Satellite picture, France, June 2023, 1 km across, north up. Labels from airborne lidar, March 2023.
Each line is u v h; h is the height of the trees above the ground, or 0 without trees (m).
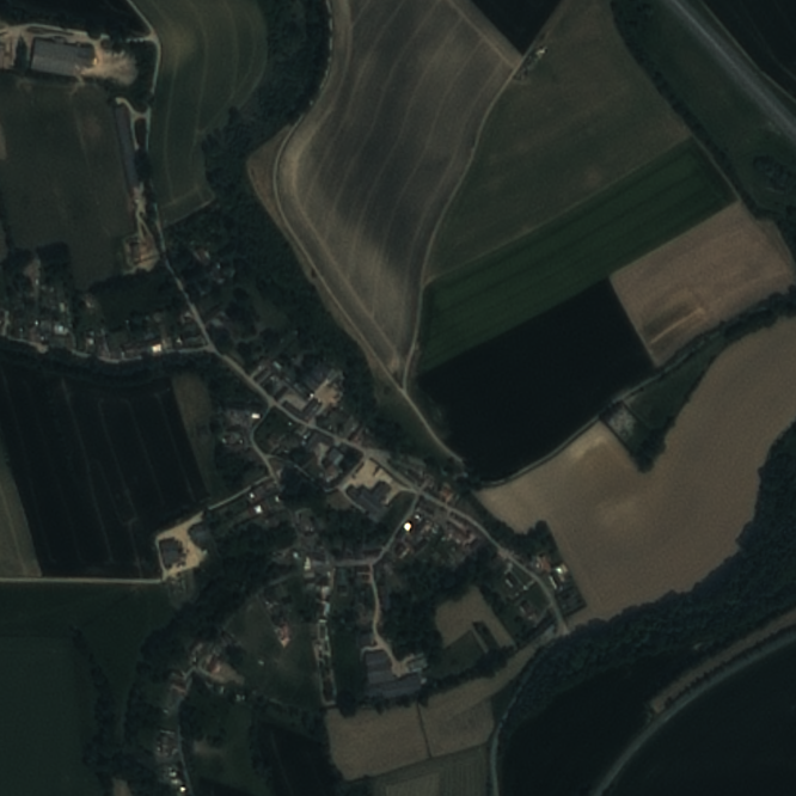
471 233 0
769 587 21
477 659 0
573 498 0
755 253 0
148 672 17
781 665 0
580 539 0
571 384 0
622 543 0
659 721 0
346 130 0
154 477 0
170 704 0
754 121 0
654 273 0
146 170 19
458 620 0
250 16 0
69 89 0
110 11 0
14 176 0
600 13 0
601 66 0
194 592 0
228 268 14
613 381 0
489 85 0
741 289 0
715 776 0
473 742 0
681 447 0
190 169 0
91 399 0
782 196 0
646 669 0
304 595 0
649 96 0
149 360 15
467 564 11
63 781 0
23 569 0
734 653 0
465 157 0
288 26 9
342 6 0
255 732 7
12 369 0
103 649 0
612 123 0
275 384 6
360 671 0
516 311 0
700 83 0
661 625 16
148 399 0
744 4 0
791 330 0
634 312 0
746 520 0
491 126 0
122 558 0
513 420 0
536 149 0
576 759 0
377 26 0
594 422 0
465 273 0
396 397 0
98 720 13
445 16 0
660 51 0
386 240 0
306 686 0
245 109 0
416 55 0
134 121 0
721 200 0
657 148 0
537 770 0
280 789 0
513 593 0
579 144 0
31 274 0
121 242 0
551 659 9
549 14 0
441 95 0
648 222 0
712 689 0
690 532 0
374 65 0
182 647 9
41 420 0
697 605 19
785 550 21
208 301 0
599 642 8
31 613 0
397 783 0
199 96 0
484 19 0
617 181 0
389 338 0
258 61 0
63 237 0
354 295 0
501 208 0
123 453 0
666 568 0
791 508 21
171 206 0
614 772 0
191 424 0
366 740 0
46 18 7
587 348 0
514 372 0
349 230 0
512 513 0
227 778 0
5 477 0
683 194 0
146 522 0
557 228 0
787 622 0
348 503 0
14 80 0
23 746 0
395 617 6
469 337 0
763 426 0
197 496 0
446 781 0
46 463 0
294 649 0
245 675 0
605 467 0
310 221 0
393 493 0
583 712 0
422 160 0
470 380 0
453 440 0
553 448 0
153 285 0
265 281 22
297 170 0
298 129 0
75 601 0
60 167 0
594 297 0
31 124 0
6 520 0
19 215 0
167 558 0
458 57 0
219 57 0
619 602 0
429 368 0
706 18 0
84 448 0
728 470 0
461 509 0
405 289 0
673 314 0
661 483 0
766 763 0
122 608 0
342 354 16
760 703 0
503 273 0
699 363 0
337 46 0
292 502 15
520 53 0
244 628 0
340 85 0
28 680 0
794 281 0
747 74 0
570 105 0
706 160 0
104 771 16
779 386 0
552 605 0
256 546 14
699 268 0
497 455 0
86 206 0
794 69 0
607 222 0
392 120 0
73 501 0
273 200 0
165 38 0
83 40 0
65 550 0
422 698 17
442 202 0
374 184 0
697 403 0
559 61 0
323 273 0
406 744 0
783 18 0
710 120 0
